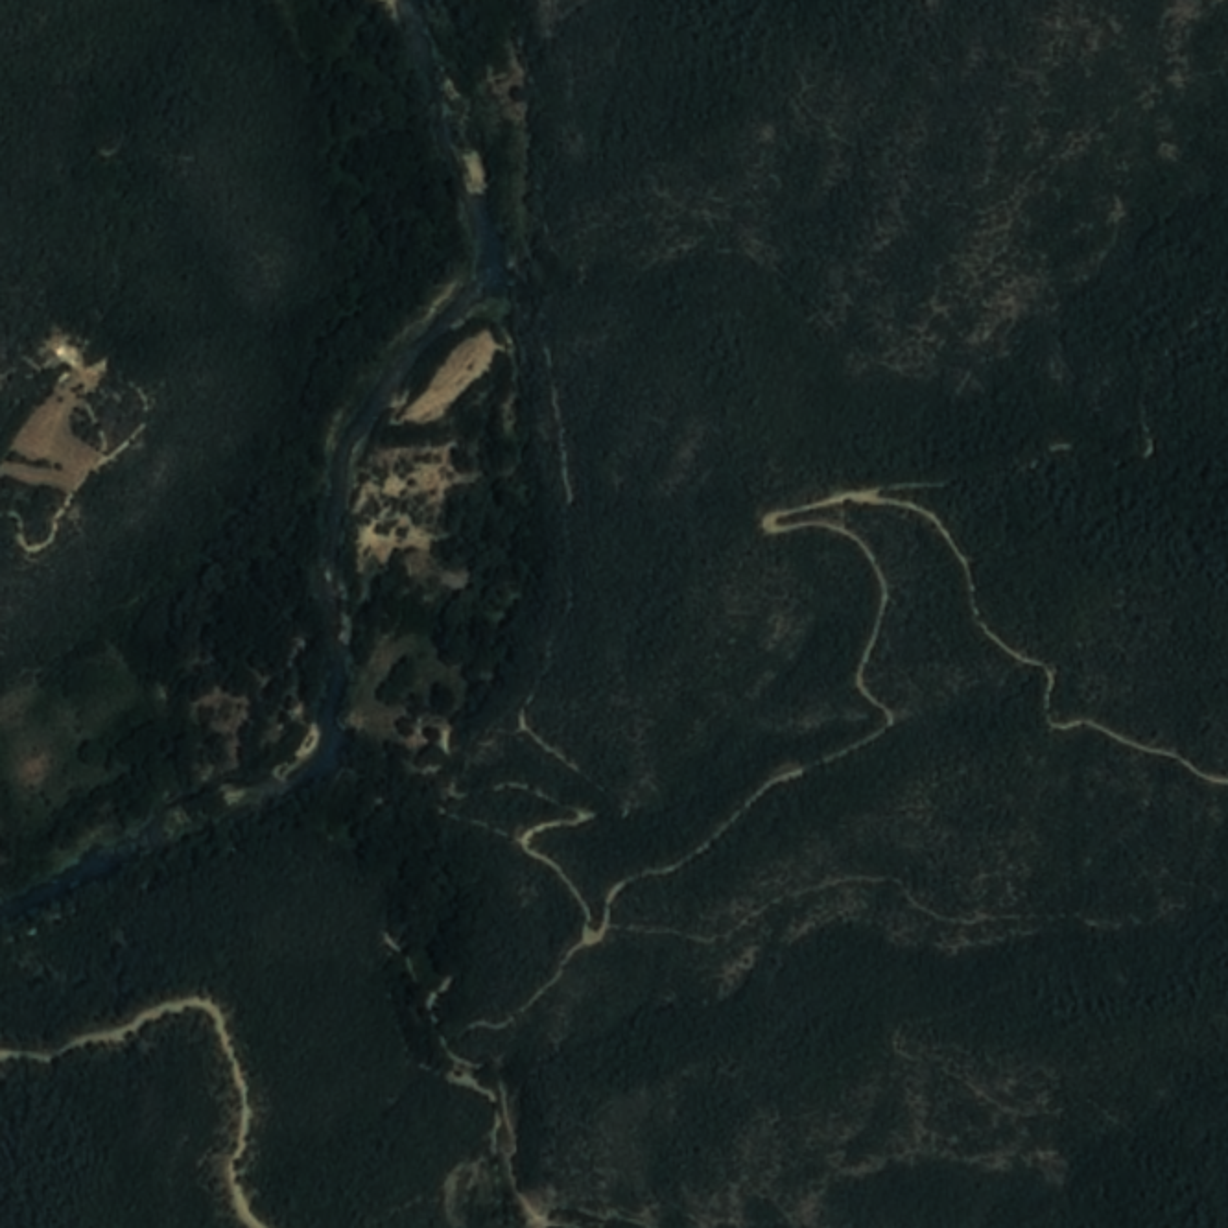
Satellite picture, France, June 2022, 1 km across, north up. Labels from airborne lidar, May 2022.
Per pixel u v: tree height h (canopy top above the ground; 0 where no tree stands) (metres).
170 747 20
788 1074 6
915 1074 6
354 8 27
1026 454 9
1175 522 10
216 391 7
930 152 6
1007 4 7
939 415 7
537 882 6
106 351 7
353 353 20
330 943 8
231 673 22
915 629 6
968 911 6
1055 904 8
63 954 7
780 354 7
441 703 20
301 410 14
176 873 16
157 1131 7
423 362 9
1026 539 11
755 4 14
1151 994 6
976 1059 6
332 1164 11
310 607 23
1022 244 6
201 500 12
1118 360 7
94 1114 9
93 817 12
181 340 9
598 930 6
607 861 10
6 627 6
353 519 9
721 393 7
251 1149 7
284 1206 9
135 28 10
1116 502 11
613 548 10
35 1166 19
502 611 12
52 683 9
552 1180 9
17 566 5
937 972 7
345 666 0
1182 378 12
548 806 12
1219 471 12
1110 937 6
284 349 13
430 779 18
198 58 11
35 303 9
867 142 7
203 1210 7
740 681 7
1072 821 6
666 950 8
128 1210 9
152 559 17
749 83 7
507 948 9
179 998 6
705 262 6
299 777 0
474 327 8
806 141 6
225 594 23
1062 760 7
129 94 13
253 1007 8
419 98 27
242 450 9
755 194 6
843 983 6
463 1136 7
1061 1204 7
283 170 11
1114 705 6
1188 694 7
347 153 10
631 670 6
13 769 0
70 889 18
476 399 9
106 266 9
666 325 7
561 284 5
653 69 8
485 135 9
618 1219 6
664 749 9
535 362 10
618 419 7
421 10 0
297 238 9
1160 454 12
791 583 6
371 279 20
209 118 7
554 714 6
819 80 7
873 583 7
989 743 11
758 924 6
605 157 6
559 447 8
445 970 17
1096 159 7
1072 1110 8
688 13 17
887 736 6
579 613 7
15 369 8
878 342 6
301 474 16
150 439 7
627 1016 6
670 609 8
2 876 7
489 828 6
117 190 10
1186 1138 9
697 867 11
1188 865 7
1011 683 7
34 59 10
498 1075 12
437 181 11
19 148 9
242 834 11
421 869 22
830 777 7
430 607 6
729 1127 6
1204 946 8
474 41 17
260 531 28
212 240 7
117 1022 6
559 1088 7
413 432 8
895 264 6
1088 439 11
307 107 17
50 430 0
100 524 6
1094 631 9
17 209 6
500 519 22
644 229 6
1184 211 8
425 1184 7
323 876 10
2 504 10
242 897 13
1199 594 8
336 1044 7
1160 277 10
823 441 5
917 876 6
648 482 6
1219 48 7
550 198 8
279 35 18
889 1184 6
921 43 8
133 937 10
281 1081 9
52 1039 16
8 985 14
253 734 21
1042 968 6
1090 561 12
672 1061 7
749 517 7
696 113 9
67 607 9
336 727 0
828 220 7
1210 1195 10
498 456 20
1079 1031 7
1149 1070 6
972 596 8
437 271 11
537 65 10
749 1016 7
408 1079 7
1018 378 7
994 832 6
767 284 6
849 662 7
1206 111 7
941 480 6
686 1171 7
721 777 6
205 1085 7
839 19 16
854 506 8
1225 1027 6
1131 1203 8
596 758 6
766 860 6
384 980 14
